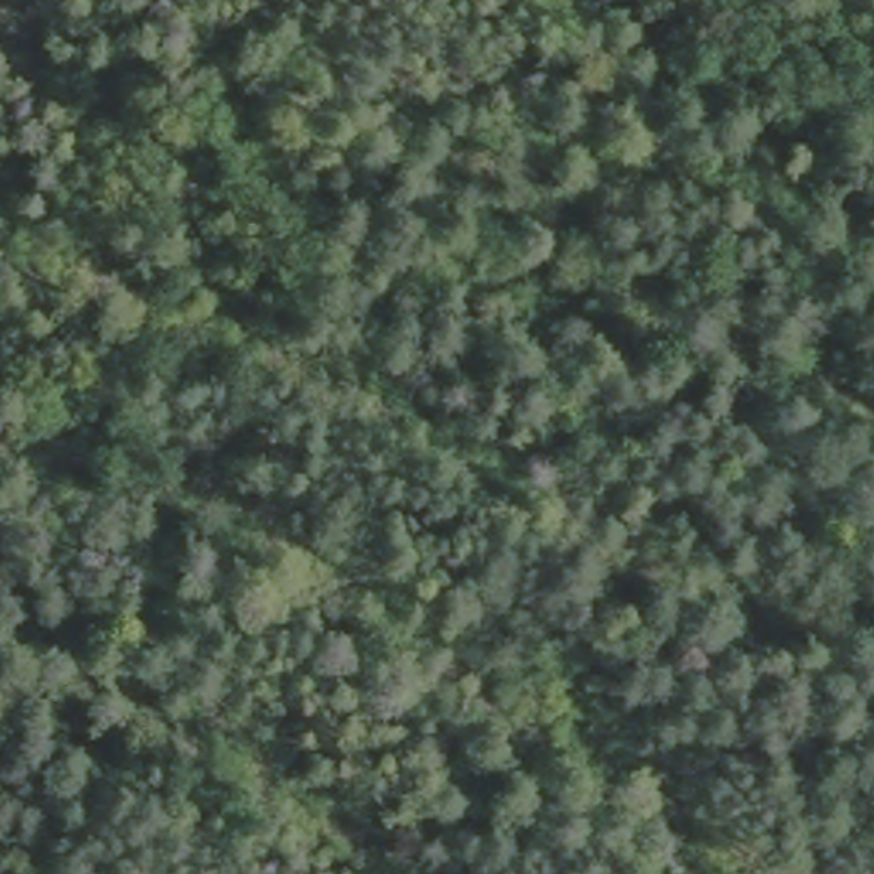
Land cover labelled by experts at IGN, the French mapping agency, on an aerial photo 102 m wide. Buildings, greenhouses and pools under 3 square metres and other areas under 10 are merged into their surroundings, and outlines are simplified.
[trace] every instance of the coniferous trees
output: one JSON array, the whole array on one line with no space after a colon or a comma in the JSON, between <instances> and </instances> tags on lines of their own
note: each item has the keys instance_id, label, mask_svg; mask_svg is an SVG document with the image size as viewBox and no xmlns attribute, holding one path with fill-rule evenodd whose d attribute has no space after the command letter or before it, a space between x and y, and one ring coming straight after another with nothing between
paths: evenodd
<instances>
[{"instance_id":1,"label":"coniferous trees","mask_svg":"<svg viewBox=\"0 0 874 874\"><path fill-rule=\"evenodd\" d=\"M840 3L843 17L867 14L874 20L874 0L792 0L792 17L823 14Z\"/></svg>"},{"instance_id":2,"label":"coniferous trees","mask_svg":"<svg viewBox=\"0 0 874 874\"><path fill-rule=\"evenodd\" d=\"M847 137L850 126L840 119L833 106L802 116L799 123L758 126L755 109L737 113L737 92L731 85L724 85L720 79L707 82L696 72L700 27L720 14L724 0L0 0L0 874L874 874L874 160L850 157L857 140ZM304 212L307 229L335 236L331 259L324 263L324 273L335 273L335 290L321 297L321 318L314 321L311 335L273 345L270 362L242 362L256 345L263 345L253 324L242 328L242 338L236 345L198 345L181 362L174 382L164 386L164 444L184 461L184 478L178 488L167 492L167 502L157 502L157 509L150 502L113 502L113 488L106 481L92 492L61 485L48 495L48 488L34 478L27 464L27 447L55 437L65 427L65 393L61 386L48 386L38 396L7 393L7 369L65 341L85 341L92 348L99 335L109 341L130 341L137 335L143 321L143 304L171 283L167 270L157 263L157 246L171 232L164 225L157 229L147 219L140 219L140 205L123 201L116 212L99 208L99 195L106 188L102 157L113 154L119 143L140 147L143 126L157 123L171 109L184 109L198 96L212 102L225 96L236 119L232 133L242 143L259 143L266 181L277 184L287 195L287 201L294 201ZM802 300L785 328L775 321L775 314L761 314L761 266L748 270L734 290L710 290L710 249L731 222L741 229L741 242L761 242L765 236L778 232L775 266L782 266L792 253L806 259L813 273L813 300ZM632 331L635 341L621 352L615 352L615 345L587 321L567 321L567 335L556 338L546 352L529 335L536 318L536 283L553 280L560 273L570 239L577 232L587 239L587 253L611 266L615 294L625 304L621 314L638 324ZM413 604L427 611L417 638L420 649L389 652L386 638L372 628L372 621L382 611L396 621L406 621ZM239 795L239 785L215 778L219 741L232 741L259 765L263 809L232 813L225 806Z\"/></svg>"}]
</instances>

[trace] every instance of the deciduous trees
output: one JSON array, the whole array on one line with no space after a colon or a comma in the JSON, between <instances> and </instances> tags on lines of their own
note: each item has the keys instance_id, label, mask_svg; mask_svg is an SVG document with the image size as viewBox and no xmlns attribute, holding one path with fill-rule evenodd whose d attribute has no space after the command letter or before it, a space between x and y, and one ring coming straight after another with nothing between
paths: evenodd
<instances>
[{"instance_id":1,"label":"deciduous trees","mask_svg":"<svg viewBox=\"0 0 874 874\"><path fill-rule=\"evenodd\" d=\"M219 741L215 778L239 785L239 795L225 806L232 813L263 809L259 765L232 741Z\"/></svg>"},{"instance_id":2,"label":"deciduous trees","mask_svg":"<svg viewBox=\"0 0 874 874\"><path fill-rule=\"evenodd\" d=\"M700 27L696 72L707 82L720 79L724 85L731 85L737 92L737 113L755 109L758 126L799 123L802 116L833 106L840 119L850 126L847 137L857 140L850 157L874 160L874 20L867 14L843 17L840 3L823 14L792 17L792 0L724 0L720 14Z\"/></svg>"},{"instance_id":3,"label":"deciduous trees","mask_svg":"<svg viewBox=\"0 0 874 874\"><path fill-rule=\"evenodd\" d=\"M792 253L782 266L775 266L778 232L765 236L761 242L741 242L741 229L731 222L710 249L710 290L734 290L748 270L761 266L761 314L775 314L775 321L785 328L802 300L813 300L813 273L806 259Z\"/></svg>"},{"instance_id":4,"label":"deciduous trees","mask_svg":"<svg viewBox=\"0 0 874 874\"><path fill-rule=\"evenodd\" d=\"M321 318L321 297L335 290L335 273L324 273L324 263L331 259L335 236L307 229L304 212L294 201L287 201L287 195L277 184L266 181L259 143L242 143L232 133L236 119L225 96L212 102L198 96L184 109L171 109L157 123L143 126L140 147L119 143L113 154L102 157L106 188L99 195L99 208L116 212L123 201L140 205L140 219L147 219L157 229L164 225L171 232L157 246L157 263L167 270L171 283L143 304L143 321L137 335L130 341L109 341L99 335L92 348L85 341L65 341L7 369L7 393L38 396L48 386L61 386L65 393L65 427L55 437L27 447L27 464L34 478L48 488L48 495L61 485L92 492L106 481L113 488L113 502L150 502L157 509L157 502L167 502L167 492L178 488L184 478L184 461L164 444L164 386L174 382L181 362L198 345L236 345L242 338L242 328L253 324L263 345L256 345L242 362L270 362L273 345L311 335L314 321Z\"/></svg>"},{"instance_id":5,"label":"deciduous trees","mask_svg":"<svg viewBox=\"0 0 874 874\"><path fill-rule=\"evenodd\" d=\"M611 266L587 253L587 239L577 232L570 239L560 273L553 280L536 283L536 318L529 335L546 352L556 338L567 335L567 321L587 321L615 345L615 352L621 352L635 341L632 331L638 324L621 314L625 304L615 294Z\"/></svg>"},{"instance_id":6,"label":"deciduous trees","mask_svg":"<svg viewBox=\"0 0 874 874\"><path fill-rule=\"evenodd\" d=\"M417 638L427 611L413 604L406 621L396 621L382 611L372 621L372 628L386 638L389 652L420 649Z\"/></svg>"}]
</instances>

